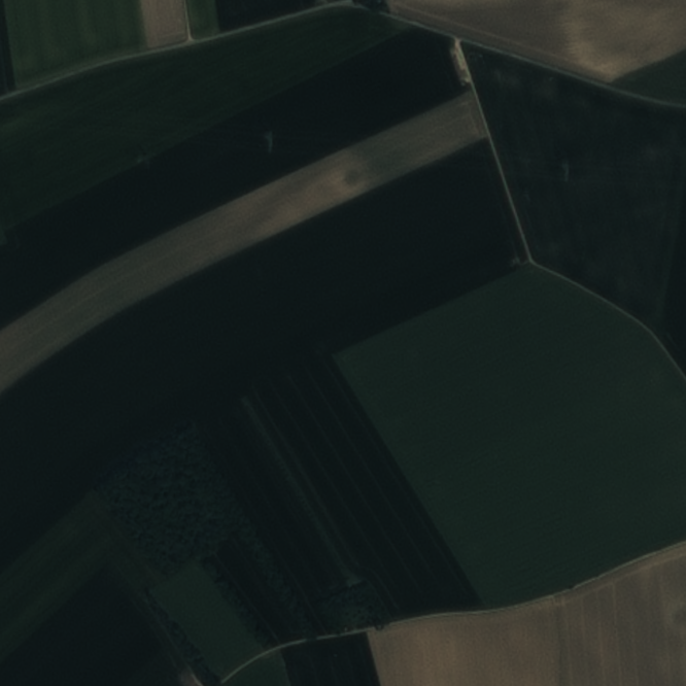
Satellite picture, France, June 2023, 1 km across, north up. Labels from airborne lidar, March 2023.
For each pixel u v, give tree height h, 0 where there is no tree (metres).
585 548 0
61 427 0
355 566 0
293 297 0
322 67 0
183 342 0
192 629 0
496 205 0
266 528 0
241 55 0
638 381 0
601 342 0
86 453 0
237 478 0
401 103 0
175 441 10
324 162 0
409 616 0
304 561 0
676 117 0
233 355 0
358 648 0
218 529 20
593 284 0
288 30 0
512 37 0
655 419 0
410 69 0
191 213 0
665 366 0
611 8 0
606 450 0
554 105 0
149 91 0
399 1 0
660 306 0
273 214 0
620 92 0
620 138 0
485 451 0
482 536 0
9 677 0
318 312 0
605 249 0
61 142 0
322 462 0
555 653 0
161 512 20
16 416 0
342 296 0
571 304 0
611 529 0
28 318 0
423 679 0
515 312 0
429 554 0
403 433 0
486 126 0
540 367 0
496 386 0
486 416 0
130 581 0
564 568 0
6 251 0
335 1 0
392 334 0
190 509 21
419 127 0
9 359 0
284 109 0
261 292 0
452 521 0
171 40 0
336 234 0
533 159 0
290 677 0
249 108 0
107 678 0
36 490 0
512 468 0
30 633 0
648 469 0
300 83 0
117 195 0
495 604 0
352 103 0
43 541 0
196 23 0
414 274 0
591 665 0
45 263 0
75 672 0
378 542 0
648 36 0
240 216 0
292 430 0
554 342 0
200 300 0
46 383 0
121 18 0
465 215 0
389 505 0
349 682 0
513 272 0
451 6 0
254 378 0
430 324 0
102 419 0
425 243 0
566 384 0
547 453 0
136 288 0
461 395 0
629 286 0
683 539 0
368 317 0
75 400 0
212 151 0
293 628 0
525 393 0
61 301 0
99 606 0
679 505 0
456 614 0
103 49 0
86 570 0
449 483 0
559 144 0
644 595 0
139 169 0
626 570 0
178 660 0
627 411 0
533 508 0
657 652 0
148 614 0
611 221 0
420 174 0
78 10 0
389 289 0
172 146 0
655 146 0
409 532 0
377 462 0
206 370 0
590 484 0
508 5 0
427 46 0
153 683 0
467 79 0
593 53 0
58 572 0
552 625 0
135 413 0
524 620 0
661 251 0
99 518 0
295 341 0
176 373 0
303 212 0
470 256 0
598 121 0
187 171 0
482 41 0
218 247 0
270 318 0
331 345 0
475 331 0
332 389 0
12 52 0
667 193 0
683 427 0
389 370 0
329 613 9
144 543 14
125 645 0
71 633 0
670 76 0
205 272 0
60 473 0
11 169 0
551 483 0
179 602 0
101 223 0
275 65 0
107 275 0
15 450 0
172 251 0
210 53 0
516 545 0
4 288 0
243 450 0
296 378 0
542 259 0
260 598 0
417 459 0
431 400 0
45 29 0
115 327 0
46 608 0
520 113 0
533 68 0
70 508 0
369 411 0
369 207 0
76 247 0
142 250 0
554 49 0
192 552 20
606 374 0
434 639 0
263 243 0
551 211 0
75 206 0
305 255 0
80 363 0
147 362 0
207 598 0
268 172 0
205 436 0
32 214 0
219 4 0
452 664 0
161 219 0
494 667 0
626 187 0
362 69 0
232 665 0
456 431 0
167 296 0
